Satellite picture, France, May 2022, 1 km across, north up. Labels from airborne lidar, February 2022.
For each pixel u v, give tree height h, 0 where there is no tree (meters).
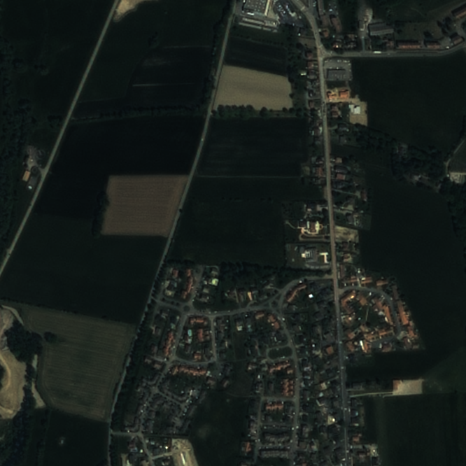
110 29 0
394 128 0
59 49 0
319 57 0
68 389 0
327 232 0
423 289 0
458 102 0
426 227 0
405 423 0
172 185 0
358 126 12
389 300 0
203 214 0
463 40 12
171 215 0
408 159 8
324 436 0
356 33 5
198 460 0
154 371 7
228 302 8
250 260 0
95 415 0
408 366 0
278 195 0
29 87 0
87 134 0
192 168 0
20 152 11
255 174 0
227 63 0
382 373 0
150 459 0
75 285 0
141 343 13
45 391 0
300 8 0
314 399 0
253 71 0
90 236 0
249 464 0
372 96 0
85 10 0
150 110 9
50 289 0
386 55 0
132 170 0
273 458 0
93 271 0
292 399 0
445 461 0
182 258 0
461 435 0
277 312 0
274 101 0
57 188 0
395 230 0
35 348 17
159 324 0
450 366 0
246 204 0
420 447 0
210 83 13
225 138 0
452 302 0
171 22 0
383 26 0
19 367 0
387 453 0
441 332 0
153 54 0
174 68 0
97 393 0
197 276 0
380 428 0
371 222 0
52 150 0
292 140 0
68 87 0
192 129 0
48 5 0
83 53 0
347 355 0
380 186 0
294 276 15
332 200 0
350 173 11
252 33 0
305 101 0
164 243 0
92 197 0
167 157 0
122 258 0
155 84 0
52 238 0
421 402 0
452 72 0
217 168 0
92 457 0
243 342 0
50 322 0
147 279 0
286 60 0
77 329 0
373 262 0
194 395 0
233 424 0
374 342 0
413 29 0
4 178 18
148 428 0
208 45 0
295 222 0
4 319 0
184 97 0
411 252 0
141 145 0
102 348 0
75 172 0
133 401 0
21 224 0
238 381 0
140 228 0
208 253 0
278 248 0
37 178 0
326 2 0
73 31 0
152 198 0
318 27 0
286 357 0
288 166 0
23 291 0
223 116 17
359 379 0
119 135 0
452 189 17
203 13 0
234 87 0
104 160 0
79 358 0
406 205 0
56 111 0
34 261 0
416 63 0
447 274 0
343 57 0
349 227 0
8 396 0
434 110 0
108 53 0
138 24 0
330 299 0
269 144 0
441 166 17
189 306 0
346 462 0
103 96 0
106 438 0
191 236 0
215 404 0
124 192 0
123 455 0
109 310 0
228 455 0
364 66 0
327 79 0
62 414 0
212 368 10
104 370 0
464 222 21
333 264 0
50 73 0
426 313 0
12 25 0
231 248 0
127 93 0
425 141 0
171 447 0
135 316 0
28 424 19
